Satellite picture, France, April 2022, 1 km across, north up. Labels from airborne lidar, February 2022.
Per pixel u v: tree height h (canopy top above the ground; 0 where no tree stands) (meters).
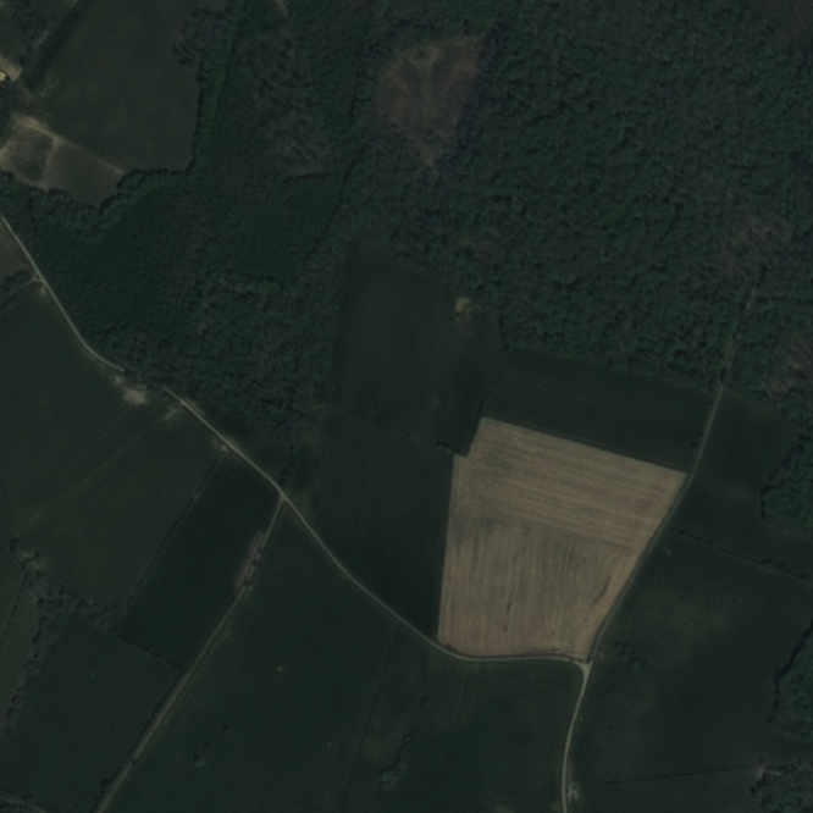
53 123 0
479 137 30
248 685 0
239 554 0
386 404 0
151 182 16
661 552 0
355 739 0
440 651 0
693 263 27
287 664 0
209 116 19
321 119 24
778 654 0
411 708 0
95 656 0
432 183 20
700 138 27
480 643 0
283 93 28
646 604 0
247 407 13
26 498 0
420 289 0
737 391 20
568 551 0
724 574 0
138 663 0
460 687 0
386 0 21
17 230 14
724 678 0
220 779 0
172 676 0
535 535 0
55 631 20
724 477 0
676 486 0
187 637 0
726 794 0
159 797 0
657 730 0
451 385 0
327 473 0
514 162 25
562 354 18
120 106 0
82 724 0
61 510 0
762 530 0
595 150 23
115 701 0
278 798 0
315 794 0
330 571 0
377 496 0
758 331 27
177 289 14
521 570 0
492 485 0
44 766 0
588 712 0
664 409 0
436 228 27
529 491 0
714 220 22
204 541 0
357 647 0
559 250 24
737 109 22
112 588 0
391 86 0
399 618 0
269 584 0
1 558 0
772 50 26
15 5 8
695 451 7
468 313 0
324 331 23
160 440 0
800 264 27
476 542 0
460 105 0
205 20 19
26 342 0
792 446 0
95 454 0
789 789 18
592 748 0
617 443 0
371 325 0
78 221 26
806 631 0
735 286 25
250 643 0
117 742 0
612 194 24
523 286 27
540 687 0
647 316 24
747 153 27
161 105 0
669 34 25
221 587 0
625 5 32
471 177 27
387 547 0
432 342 0
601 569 0
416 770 0
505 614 0
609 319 24
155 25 0
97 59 0
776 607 0
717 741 0
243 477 0
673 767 0
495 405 0
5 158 0
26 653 0
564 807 0
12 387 0
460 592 0
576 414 0
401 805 0
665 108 24
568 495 0
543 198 24
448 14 25
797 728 24
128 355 22
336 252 20
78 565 0
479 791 0
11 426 0
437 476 0
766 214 22
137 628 0
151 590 0
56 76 0
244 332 18
